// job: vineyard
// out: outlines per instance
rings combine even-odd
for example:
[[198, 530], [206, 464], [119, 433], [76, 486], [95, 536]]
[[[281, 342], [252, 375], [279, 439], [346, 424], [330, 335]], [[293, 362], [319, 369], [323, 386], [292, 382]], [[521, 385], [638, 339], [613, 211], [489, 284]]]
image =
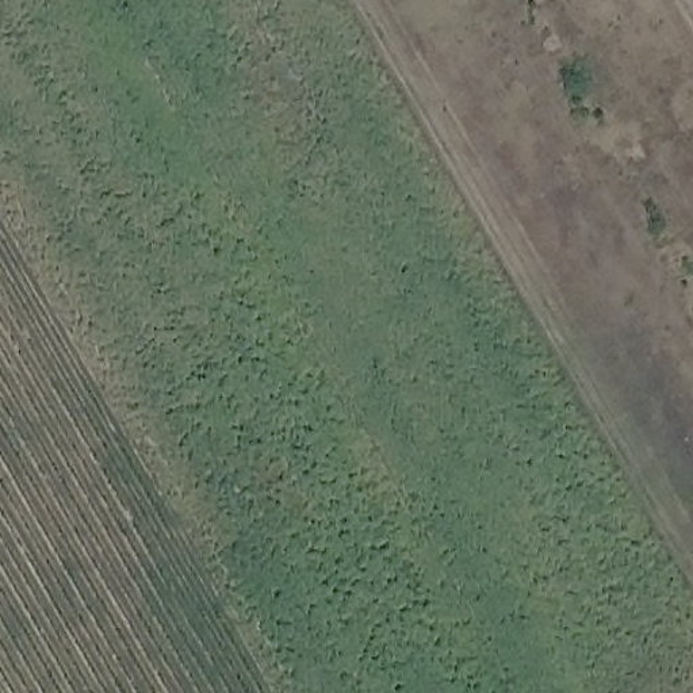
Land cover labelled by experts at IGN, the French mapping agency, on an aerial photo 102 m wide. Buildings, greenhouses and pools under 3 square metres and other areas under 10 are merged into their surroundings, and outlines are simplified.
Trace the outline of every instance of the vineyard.
[[268, 693], [257, 666], [244, 650], [241, 639], [236, 636], [233, 620], [225, 614], [222, 604], [211, 596], [211, 590], [203, 587], [198, 579], [219, 571], [219, 566], [203, 568], [206, 560], [214, 560], [214, 555], [208, 555], [206, 544], [195, 544], [198, 536], [206, 536], [206, 528], [198, 528], [192, 520], [184, 520], [176, 512], [171, 512], [165, 501], [157, 495], [157, 482], [149, 479], [138, 466], [138, 460], [149, 452], [149, 444], [130, 444], [130, 439], [122, 433], [122, 420], [106, 406], [103, 387], [89, 379], [81, 355], [65, 336], [65, 325], [57, 319], [57, 309], [49, 306], [49, 298], [38, 282], [38, 273], [32, 271], [30, 257], [22, 257], [14, 249], [11, 230], [0, 219], [0, 693]]

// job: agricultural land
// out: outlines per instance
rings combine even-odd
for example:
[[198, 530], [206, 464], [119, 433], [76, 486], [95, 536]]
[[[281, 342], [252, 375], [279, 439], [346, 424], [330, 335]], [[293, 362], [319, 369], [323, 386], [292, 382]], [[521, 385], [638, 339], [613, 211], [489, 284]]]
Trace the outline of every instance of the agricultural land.
[[[596, 73], [593, 119], [571, 116], [568, 111], [560, 68], [568, 65], [571, 57], [579, 57], [579, 62], [587, 62]], [[661, 233], [647, 230], [644, 200], [658, 203], [663, 217]], [[257, 666], [268, 693], [693, 693], [693, 0], [0, 0], [0, 219], [11, 230], [14, 249], [22, 257], [30, 257], [32, 271], [38, 273], [38, 282], [49, 298], [49, 306], [57, 309], [57, 319], [65, 325], [65, 336], [81, 355], [89, 379], [103, 387], [106, 406], [122, 420], [122, 433], [130, 439], [130, 444], [149, 444], [149, 452], [138, 460], [138, 466], [149, 479], [157, 482], [157, 495], [165, 501], [171, 512], [176, 512], [184, 520], [192, 520], [198, 528], [206, 528], [206, 536], [198, 536], [195, 544], [206, 544], [208, 555], [214, 555], [214, 560], [206, 560], [203, 568], [219, 566], [219, 571], [198, 579], [203, 587], [211, 590], [211, 596], [222, 604], [225, 614], [233, 620], [236, 636], [241, 639], [244, 650]]]

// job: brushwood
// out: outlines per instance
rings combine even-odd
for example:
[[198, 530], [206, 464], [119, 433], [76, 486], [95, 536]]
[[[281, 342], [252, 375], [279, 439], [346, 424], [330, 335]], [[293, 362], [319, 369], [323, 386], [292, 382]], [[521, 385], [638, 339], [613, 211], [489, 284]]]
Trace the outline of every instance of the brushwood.
[[596, 73], [587, 62], [579, 62], [579, 57], [571, 57], [568, 65], [560, 68], [568, 111], [571, 116], [593, 119]]
[[647, 230], [661, 233], [663, 217], [658, 203], [644, 200]]

